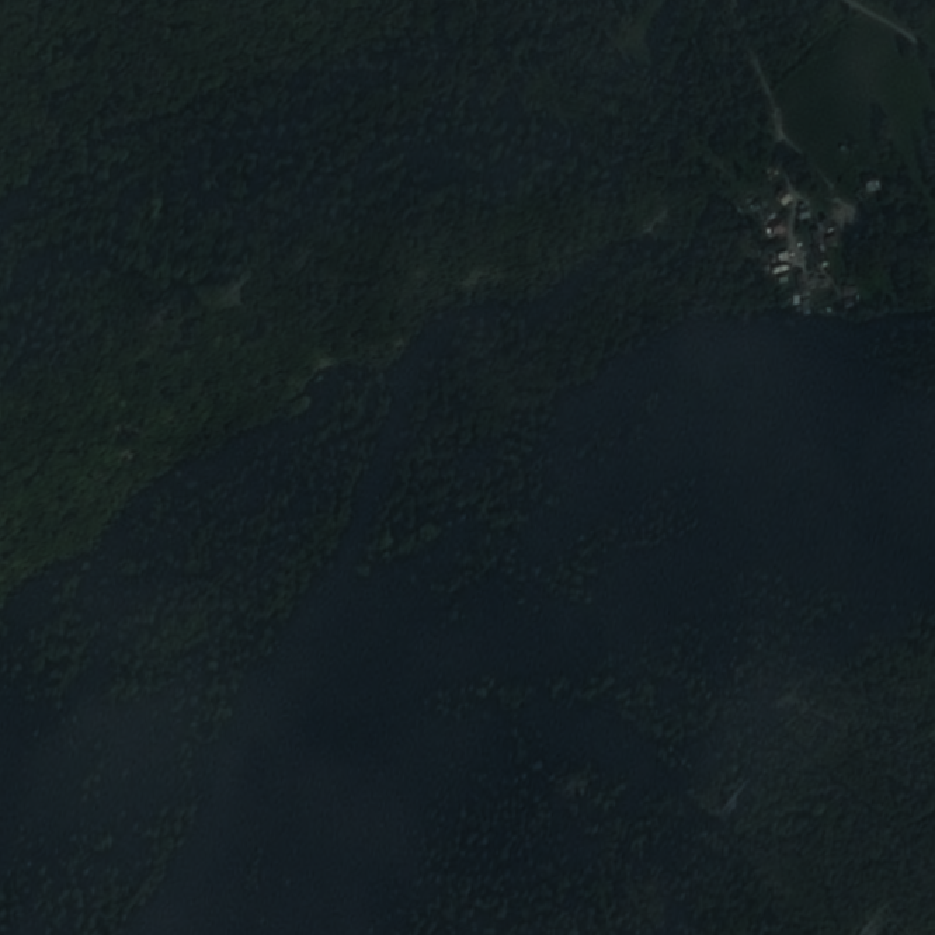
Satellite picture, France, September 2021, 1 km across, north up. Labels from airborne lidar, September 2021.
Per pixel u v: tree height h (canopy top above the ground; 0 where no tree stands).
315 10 21
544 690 25
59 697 32
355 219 33
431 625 27
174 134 26
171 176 28
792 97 0
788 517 29
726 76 26
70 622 38
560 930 31
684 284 30
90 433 31
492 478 37
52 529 25
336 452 35
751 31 26
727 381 25
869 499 25
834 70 0
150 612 36
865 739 25
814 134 0
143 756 32
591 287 27
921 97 0
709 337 28
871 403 34
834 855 20
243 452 10
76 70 36
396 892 36
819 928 6
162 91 22
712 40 30
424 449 22
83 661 33
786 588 14
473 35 29
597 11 24
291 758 27
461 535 25
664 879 30
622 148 27
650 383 23
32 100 23
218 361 29
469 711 31
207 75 29
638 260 20
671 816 24
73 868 42
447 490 35
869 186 0
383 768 33
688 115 28
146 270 14
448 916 35
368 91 31
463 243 23
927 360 34
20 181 34
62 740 34
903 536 19
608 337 31
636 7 20
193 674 38
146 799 38
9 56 23
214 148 11
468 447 26
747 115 23
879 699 21
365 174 23
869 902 22
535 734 26
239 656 29
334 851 45
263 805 26
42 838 39
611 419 23
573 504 28
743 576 24
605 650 27
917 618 17
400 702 26
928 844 8
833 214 0
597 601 28
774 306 11
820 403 34
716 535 29
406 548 33
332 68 26
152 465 23
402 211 30
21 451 33
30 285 32
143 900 22
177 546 33
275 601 39
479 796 26
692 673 22
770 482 25
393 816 37
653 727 35
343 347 31
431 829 36
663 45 20
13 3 17
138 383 31
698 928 19
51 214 41
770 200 0
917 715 22
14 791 35
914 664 19
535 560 24
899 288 24
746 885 23
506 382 27
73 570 21
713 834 8
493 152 34
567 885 22
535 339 40
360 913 21
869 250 31
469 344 29
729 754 25
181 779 32
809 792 26
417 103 24
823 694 21
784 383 38
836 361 31
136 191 35
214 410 28
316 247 24
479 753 16
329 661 33
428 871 29
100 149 39
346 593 24
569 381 31
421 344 8
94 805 36
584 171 31
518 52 25
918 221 24
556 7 19
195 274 23
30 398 23
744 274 15
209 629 36
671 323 30
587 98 32
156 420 30
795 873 11
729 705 24
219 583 39
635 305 34
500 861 38
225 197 27
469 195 37
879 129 17
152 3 28
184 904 0
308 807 28
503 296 31
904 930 14
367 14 23
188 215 38
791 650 22
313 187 30
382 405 35
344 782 34
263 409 29
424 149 30
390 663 32
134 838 17
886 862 23
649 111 22
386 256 25
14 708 33
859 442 32
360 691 40
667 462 18
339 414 26
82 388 24
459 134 36
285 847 29
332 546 27
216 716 27
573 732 25
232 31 18
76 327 29
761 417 30
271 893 37
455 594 20
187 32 25
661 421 18
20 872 40
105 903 33
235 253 32
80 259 37
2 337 27
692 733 31
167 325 9
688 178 6
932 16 30
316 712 29
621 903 19
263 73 23
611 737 25
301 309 30
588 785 24
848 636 17
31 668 39
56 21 24
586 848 12
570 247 19
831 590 17
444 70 31
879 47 0
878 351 32
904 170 11
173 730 33
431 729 29
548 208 22
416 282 14
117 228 35
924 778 25
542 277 20
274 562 33
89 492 23
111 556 32
